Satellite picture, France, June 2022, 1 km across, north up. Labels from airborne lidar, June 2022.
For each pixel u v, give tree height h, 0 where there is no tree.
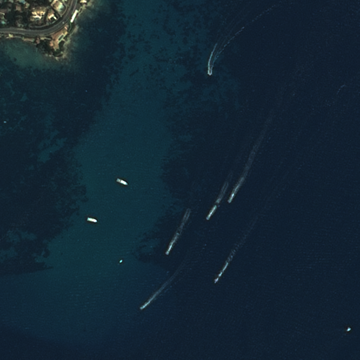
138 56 0
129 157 0
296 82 0
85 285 0
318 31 0
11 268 0
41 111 0
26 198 0
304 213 0
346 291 0
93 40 0
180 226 0
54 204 0
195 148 0
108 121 0
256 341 0
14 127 0
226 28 0
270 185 0
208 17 0
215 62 0
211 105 0
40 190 0
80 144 0
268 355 0
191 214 0
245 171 0
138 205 0
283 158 0
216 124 0
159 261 0
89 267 0
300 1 0
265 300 0
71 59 0
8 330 0
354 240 0
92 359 0
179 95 0
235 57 0
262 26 0
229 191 0
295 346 0
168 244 0
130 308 0
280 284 0
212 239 0
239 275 0
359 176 0
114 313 0
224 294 0
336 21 0
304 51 0
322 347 0
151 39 0
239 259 0
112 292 0
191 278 0
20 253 0
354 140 0
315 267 0
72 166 0
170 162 0
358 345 0
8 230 0
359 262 0
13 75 0
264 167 0
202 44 0
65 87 0
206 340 0
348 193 0
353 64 0
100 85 0
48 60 0
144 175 0
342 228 0
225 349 0
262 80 0
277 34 0
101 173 0
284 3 0
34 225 0
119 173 0
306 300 0
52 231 0
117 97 0
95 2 0
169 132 0
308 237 0
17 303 0
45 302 0
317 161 0
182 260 0
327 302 0
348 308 0
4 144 0
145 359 0
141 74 0
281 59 0
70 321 0
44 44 12
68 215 0
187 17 0
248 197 0
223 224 0
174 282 0
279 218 0
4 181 0
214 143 0
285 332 0
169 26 0
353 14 0
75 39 0
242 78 0
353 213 0
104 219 0
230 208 0
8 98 0
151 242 0
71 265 0
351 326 0
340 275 0
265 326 0
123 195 0
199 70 0
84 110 0
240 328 0
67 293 0
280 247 0
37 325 0
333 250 0
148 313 0
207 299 0
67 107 0
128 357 0
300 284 0
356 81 0
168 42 0
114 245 0
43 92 0
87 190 0
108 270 0
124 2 0
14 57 0
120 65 0
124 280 0
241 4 0
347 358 0
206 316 0
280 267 0
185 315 0
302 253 0
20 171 0
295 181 0
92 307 0
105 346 0
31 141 0
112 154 0
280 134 0
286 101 0
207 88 0
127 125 0
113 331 0
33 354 0
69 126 0
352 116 0
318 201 0
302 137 0
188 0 0
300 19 0
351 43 0
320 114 0
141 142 0
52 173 0
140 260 0
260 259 0
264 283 0
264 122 0
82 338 0
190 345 0
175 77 0
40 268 0
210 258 0
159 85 0
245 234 0
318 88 0
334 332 0
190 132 0
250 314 0
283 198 0
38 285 0
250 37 0
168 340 0
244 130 0
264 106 0
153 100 0
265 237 0
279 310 0
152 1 0
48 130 0
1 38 9
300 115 0
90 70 0
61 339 0
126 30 0
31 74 0
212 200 0
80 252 0
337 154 0
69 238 0
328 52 0
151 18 0
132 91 0
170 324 0
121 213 0
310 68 0
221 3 0
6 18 11
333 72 0
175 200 0
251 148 0
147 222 0
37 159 0
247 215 0
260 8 0
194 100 0
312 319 0
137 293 0
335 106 0
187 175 0
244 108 0
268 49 0
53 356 0
